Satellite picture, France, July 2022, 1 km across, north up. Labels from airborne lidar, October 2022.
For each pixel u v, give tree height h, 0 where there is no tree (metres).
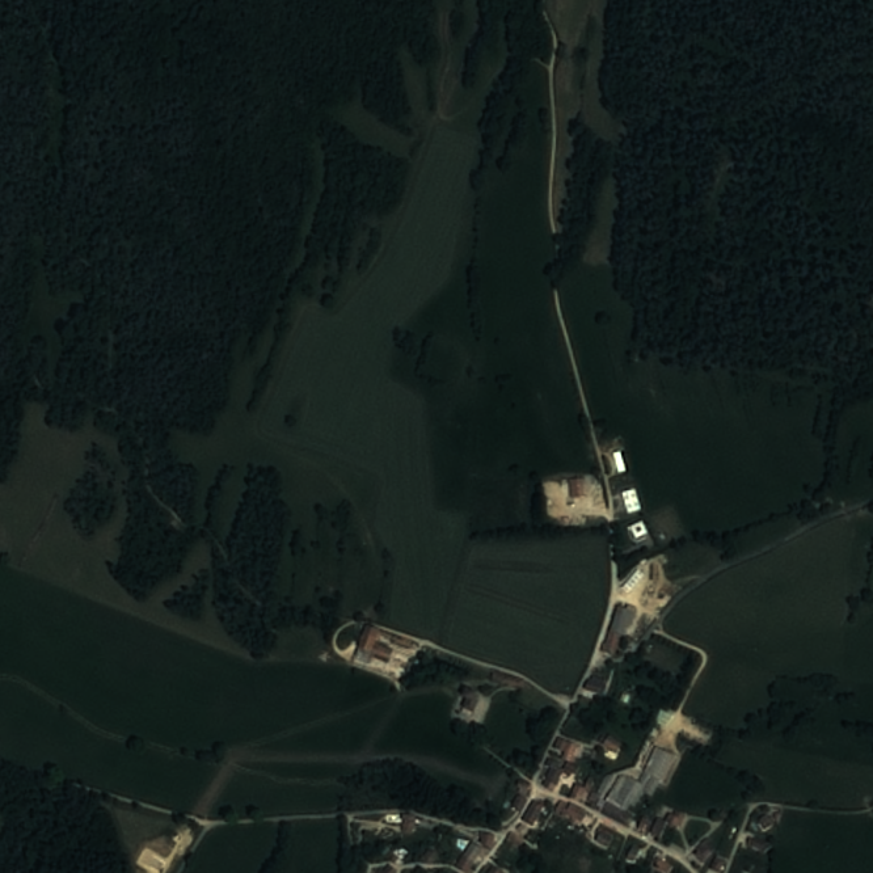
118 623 0
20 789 15
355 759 0
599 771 13
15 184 15
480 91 0
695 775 0
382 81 8
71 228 9
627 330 0
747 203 22
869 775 0
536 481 9
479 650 0
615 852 0
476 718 0
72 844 21
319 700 0
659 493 0
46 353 18
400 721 0
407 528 0
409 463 0
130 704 0
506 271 0
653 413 0
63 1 29
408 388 0
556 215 0
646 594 0
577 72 0
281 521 16
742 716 0
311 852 0
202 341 11
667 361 7
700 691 0
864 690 0
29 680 0
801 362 16
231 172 12
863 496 0
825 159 13
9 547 0
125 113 14
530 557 0
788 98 21
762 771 0
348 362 0
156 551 18
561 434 0
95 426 7
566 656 0
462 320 0
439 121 0
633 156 6
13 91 19
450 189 0
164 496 8
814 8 22
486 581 0
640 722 11
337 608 12
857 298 13
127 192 11
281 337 8
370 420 0
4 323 14
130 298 15
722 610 0
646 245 10
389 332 0
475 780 0
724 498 0
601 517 0
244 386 0
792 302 14
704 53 24
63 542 0
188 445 0
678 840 0
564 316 0
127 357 11
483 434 0
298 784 0
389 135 0
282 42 12
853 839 0
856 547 0
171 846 0
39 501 0
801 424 0
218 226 12
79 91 13
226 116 9
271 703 0
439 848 6
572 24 0
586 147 17
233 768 0
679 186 11
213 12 9
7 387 14
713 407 0
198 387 13
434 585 0
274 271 14
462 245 0
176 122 13
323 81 16
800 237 19
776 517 8
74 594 0
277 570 17
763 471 0
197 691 0
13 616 0
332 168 19
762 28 19
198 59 20
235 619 9
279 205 12
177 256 16
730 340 17
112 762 0
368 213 16
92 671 0
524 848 14
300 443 0
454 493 0
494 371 0
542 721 16
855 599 9
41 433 0
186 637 0
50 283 9
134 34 11
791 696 0
